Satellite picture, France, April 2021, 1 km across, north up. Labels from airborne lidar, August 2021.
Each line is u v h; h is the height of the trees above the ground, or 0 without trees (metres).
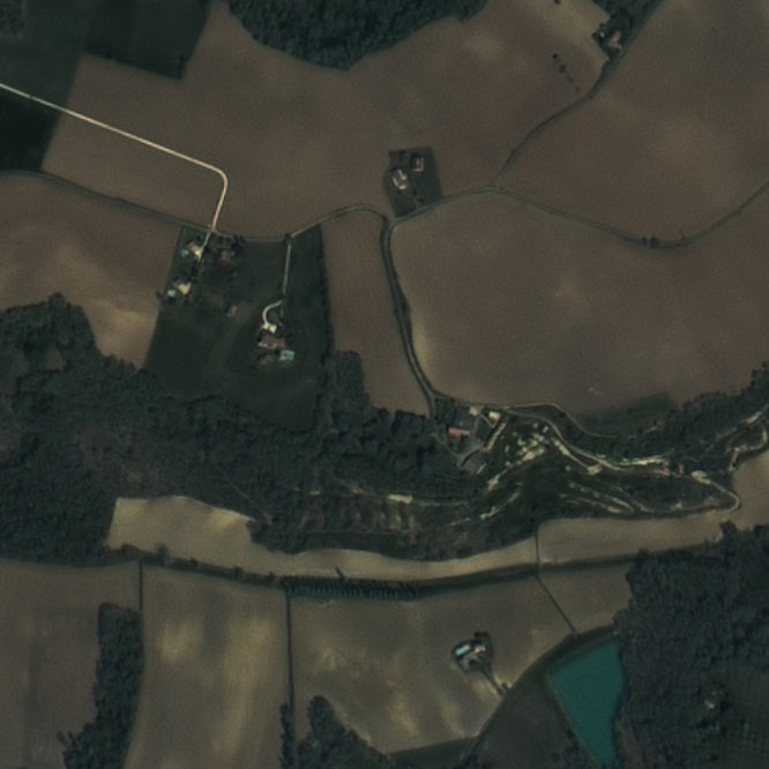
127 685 22
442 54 0
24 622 0
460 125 0
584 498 0
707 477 21
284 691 0
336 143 0
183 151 0
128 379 15
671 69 0
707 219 0
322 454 14
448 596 0
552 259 0
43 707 0
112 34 0
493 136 0
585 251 0
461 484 15
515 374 0
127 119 0
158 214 0
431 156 0
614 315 0
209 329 0
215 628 0
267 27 18
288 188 0
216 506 17
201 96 0
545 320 0
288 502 15
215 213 0
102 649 9
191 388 0
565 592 0
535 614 0
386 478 17
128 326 0
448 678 0
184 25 0
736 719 6
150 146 0
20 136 0
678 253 0
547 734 0
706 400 13
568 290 0
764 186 0
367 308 0
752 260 0
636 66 0
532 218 0
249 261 0
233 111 0
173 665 0
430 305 0
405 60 0
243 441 24
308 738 0
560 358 0
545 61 0
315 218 0
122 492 18
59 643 0
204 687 0
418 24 15
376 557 0
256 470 22
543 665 0
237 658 0
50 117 0
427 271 0
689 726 17
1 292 0
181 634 0
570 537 0
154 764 0
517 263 0
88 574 0
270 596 0
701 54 0
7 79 0
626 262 0
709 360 0
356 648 0
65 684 0
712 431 21
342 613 0
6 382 0
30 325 19
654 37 0
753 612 25
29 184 0
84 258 0
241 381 0
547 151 0
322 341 0
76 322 17
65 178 0
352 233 0
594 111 0
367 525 8
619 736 13
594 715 0
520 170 0
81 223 0
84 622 0
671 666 15
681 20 0
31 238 0
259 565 0
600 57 0
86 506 24
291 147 0
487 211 0
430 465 16
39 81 0
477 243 0
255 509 9
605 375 0
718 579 23
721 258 0
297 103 0
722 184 0
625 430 0
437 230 0
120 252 0
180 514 0
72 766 15
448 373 0
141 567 0
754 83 0
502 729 0
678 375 0
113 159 0
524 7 0
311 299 0
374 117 0
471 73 0
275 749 0
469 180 0
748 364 0
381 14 25
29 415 12
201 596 0
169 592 0
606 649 0
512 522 9
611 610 0
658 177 0
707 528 0
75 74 0
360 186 0
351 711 0
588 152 0
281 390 0
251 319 0
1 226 0
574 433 11
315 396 0
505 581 0
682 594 25
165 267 0
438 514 12
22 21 19
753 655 21
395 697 0
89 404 22
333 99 0
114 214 0
